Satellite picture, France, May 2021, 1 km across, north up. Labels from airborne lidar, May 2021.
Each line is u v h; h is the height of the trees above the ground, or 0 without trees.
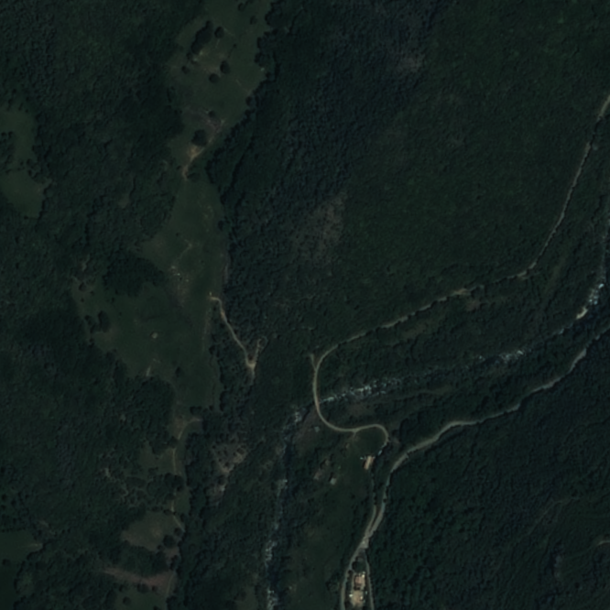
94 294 10
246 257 14
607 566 7
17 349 19
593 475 13
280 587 13
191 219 0
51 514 11
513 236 15
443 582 16
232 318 14
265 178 14
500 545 13
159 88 20
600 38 18
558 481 11
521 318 11
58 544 13
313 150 6
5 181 0
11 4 8
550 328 12
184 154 0
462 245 14
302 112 11
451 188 13
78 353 15
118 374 21
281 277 10
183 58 0
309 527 13
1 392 20
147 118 16
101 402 12
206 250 0
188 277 0
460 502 19
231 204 21
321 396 9
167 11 16
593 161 16
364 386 11
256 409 9
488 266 8
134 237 16
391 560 12
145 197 12
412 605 15
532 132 15
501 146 10
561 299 12
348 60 8
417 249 12
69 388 20
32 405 16
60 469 24
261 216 10
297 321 10
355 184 9
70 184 16
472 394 12
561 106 13
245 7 12
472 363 12
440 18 10
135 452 11
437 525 21
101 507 10
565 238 19
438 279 18
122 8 16
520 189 15
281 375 19
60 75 15
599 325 16
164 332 0
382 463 15
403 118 8
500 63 17
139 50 18
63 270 13
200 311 0
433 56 14
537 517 10
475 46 16
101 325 8
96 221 20
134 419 11
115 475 10
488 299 11
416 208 15
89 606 8
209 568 12
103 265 8
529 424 12
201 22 0
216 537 7
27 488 12
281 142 10
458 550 15
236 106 0
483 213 18
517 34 16
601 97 16
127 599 11
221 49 0
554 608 9
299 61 18
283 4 15
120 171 15
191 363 0
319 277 8
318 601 0
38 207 0
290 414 13
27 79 12
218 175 28
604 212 10
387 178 9
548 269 13
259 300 9
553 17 19
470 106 11
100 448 14
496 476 10
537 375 21
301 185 8
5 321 21
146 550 11
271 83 22
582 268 15
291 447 7
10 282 15
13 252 20
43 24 8
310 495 17
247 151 18
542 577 6
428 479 16
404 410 13
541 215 14
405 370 19
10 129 0
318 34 15
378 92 12
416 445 10
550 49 17
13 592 0
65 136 13
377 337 13
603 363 12
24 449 15
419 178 16
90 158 17
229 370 14
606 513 6
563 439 8
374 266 17
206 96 0
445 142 7
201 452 15
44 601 17
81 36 16
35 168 14
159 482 10
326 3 11
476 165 12
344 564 10
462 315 13
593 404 19
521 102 15
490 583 9
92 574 13
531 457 20
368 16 6
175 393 6
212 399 0
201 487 21
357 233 10
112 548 7
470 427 12
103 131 16
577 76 9
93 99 10
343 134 7
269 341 7
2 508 7
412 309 16
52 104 10
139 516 15
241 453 8
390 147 6
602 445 8
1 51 11
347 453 12
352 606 11
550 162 12
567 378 13
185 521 16
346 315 14
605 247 10
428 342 9
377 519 0
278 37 19
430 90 7
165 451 10
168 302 0
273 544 0
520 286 19
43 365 19
